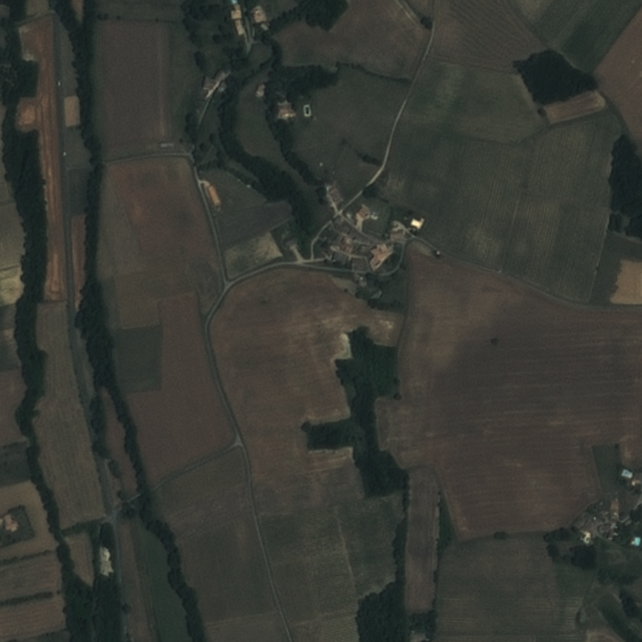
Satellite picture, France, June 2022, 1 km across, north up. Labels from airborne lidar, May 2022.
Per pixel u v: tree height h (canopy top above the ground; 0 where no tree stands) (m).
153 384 0
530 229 0
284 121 15
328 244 11
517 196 0
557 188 0
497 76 0
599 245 0
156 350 0
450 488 0
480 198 0
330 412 0
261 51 0
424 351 0
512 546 0
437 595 8
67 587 6
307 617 0
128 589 0
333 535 0
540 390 0
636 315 0
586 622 0
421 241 0
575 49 0
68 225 0
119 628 8
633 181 21
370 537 0
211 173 0
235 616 0
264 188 9
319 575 0
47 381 0
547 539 11
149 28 0
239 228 0
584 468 0
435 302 0
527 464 0
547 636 0
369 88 0
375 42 0
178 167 0
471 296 0
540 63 21
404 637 15
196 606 17
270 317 0
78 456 0
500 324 0
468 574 0
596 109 0
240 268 0
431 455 0
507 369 0
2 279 0
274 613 0
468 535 0
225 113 17
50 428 0
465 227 0
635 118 0
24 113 0
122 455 0
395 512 0
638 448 0
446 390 0
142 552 0
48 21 0
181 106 0
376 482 10
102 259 0
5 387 0
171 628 0
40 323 0
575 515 0
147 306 0
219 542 0
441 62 0
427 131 0
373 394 13
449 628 0
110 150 0
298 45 0
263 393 0
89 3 12
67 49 0
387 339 0
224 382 0
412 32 0
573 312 0
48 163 0
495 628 0
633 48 0
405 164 0
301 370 0
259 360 0
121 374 0
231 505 0
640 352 0
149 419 0
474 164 0
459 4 0
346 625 0
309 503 0
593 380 0
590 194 0
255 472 0
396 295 0
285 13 12
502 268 0
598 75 0
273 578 0
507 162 0
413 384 0
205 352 0
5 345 0
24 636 0
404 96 0
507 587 0
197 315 0
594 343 0
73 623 17
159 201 0
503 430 0
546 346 0
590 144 0
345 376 13
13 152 12
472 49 0
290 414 0
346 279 0
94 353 18
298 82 12
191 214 0
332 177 0
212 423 0
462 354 0
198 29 20
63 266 0
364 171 0
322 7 17
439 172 0
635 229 15
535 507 0
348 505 0
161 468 0
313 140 0
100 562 13
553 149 0
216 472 0
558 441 0
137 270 0
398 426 0
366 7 0
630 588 0
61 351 0
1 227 0
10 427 0
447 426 0
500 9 0
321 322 0
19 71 12
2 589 0
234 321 0
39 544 0
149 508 15
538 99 16
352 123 0
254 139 0
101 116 0
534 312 0
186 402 0
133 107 0
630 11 0
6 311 0
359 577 0
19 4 11
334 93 0
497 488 0
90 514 0
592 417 0
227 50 7
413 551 0
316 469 0
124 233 0
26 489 0
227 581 0
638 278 0
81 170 0
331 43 0
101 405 16
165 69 0
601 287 0
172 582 16
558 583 0
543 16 0
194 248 0
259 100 0
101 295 14
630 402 0
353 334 7
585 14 0
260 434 0
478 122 0
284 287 0
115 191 0
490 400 0
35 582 0
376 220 0
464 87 0
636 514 12
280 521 0
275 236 0
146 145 0
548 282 0
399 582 13
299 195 22
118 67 0
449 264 0
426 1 0
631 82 0
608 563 0
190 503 0
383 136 0
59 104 0
